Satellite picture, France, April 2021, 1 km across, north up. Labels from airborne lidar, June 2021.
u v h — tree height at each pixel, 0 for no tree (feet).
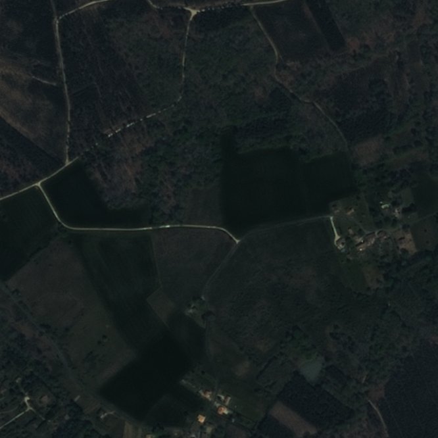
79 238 0
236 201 0
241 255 0
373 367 59
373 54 33
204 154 61
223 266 0
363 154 71
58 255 0
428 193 0
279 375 44
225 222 0
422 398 49
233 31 23
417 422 47
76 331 0
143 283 0
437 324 59
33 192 0
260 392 30
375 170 43
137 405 0
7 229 0
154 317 0
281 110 62
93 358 0
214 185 28
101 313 0
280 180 0
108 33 20
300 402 41
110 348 0
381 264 27
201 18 52
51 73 46
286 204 0
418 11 22
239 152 29
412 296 78
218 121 58
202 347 0
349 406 28
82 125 47
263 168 0
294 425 52
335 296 33
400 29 19
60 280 0
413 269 92
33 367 46
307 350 68
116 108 37
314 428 55
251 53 66
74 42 38
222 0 0
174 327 0
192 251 0
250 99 66
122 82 25
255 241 0
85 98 20
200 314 0
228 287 0
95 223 0
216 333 0
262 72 67
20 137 47
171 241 0
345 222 0
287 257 0
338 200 0
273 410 52
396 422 52
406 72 47
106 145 59
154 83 43
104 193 61
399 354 45
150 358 0
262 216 0
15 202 0
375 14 51
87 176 0
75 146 55
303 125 51
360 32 52
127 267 0
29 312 33
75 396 0
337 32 43
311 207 0
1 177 29
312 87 33
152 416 0
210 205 0
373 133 53
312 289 0
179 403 0
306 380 40
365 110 48
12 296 30
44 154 46
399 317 71
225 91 62
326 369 25
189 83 39
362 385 66
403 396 57
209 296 0
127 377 0
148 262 0
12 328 29
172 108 51
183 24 72
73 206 0
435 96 56
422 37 69
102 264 0
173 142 38
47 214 0
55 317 0
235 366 0
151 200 38
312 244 0
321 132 47
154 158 88
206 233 0
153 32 35
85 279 0
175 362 0
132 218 0
